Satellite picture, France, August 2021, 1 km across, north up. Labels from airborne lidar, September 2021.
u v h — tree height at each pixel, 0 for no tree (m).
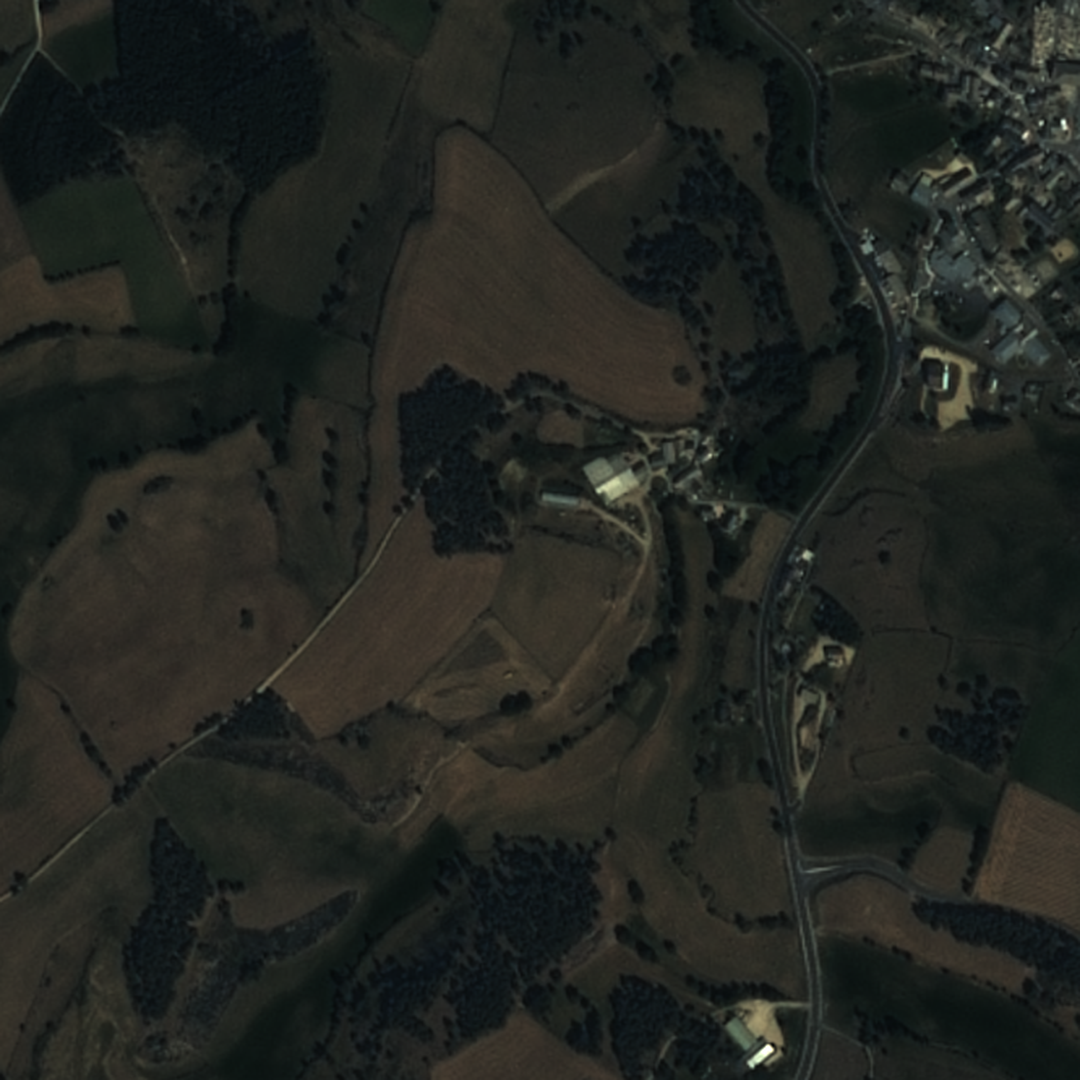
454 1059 0
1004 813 0
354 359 0
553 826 0
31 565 0
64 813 0
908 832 0
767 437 15
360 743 11
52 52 0
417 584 0
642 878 0
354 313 0
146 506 0
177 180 0
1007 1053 0
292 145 19
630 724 0
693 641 0
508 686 0
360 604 0
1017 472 0
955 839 0
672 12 0
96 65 0
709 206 19
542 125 0
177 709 0
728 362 16
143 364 0
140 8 13
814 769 0
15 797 0
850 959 0
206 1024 0
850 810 0
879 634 0
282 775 0
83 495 0
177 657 0
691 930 0
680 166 0
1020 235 0
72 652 0
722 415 0
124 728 0
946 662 0
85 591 0
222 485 0
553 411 0
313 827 0
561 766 0
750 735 0
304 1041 0
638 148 0
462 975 11
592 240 0
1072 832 0
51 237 0
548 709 0
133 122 15
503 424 17
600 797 0
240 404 0
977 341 0
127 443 0
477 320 0
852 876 0
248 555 0
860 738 0
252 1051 0
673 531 16
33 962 0
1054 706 0
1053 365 0
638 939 0
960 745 15
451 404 19
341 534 0
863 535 0
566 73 0
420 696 0
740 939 0
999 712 16
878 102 0
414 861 0
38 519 0
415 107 0
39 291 0
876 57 0
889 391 0
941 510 0
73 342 0
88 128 14
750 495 0
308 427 0
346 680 0
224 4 21
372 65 0
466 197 0
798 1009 0
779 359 21
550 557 0
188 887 7
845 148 0
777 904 0
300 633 0
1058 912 0
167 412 0
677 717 0
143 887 0
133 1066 0
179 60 13
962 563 0
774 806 0
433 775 0
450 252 0
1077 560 0
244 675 0
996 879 0
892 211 0
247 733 14
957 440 0
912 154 0
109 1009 0
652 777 0
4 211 0
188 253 0
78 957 0
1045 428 0
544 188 0
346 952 0
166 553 0
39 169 7
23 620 0
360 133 0
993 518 0
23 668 0
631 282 8
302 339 0
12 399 0
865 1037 11
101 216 0
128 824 0
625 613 0
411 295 0
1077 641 0
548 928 20
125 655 0
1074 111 0
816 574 0
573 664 0
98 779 0
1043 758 0
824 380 0
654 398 0
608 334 0
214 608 0
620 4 0
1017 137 0
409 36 0
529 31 0
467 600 0
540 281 0
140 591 0
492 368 0
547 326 0
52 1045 0
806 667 0
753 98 0
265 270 0
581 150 0
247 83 24
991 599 0
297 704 0
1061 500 0
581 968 0
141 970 16
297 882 0
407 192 0
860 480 0
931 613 0
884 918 0
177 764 0
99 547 0
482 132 0
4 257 0
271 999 0
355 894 0
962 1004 0
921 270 0
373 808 0
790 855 0
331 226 0
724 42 12
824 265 0
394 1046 0
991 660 0
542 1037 0
